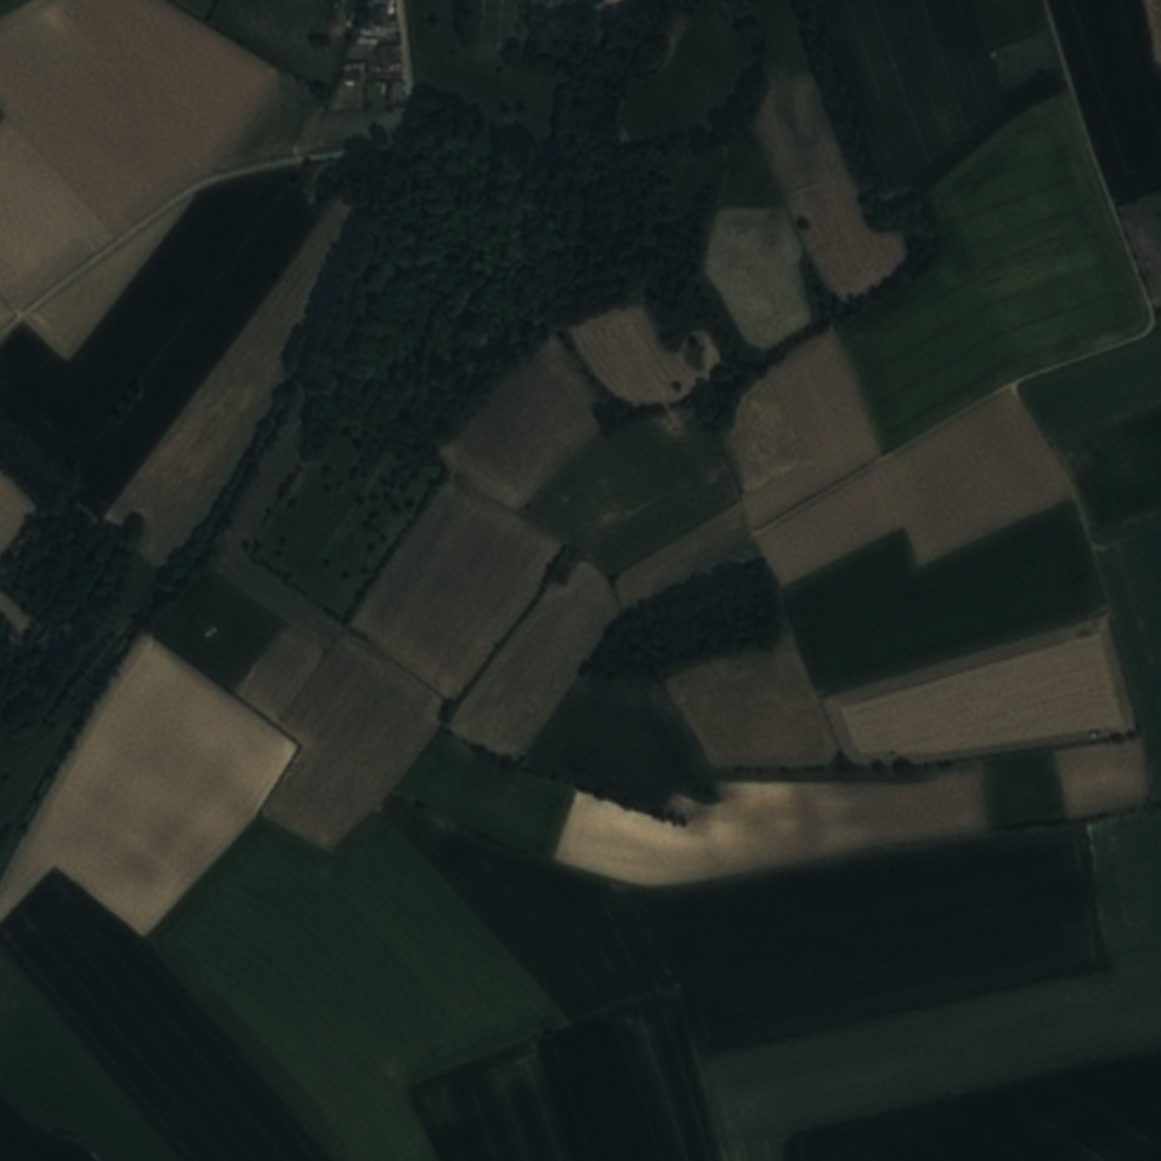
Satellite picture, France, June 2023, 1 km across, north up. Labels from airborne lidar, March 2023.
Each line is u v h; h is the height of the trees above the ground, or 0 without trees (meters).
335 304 25
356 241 25
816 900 0
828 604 0
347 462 0
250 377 0
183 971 0
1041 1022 0
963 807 0
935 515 0
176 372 0
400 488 6
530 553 0
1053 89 0
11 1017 0
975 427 0
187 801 0
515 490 0
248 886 0
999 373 0
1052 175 0
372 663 0
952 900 0
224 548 0
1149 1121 0
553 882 0
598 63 17
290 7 0
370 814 0
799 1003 0
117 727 0
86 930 0
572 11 17
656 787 0
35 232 0
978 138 0
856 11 0
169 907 0
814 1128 0
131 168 0
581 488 0
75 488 0
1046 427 0
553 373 0
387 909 0
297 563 0
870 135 0
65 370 0
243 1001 0
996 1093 0
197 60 0
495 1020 0
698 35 0
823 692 0
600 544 0
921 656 0
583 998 0
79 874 0
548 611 0
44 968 0
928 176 0
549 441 0
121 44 0
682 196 0
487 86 0
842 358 0
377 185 19
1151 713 0
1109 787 0
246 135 0
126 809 0
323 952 0
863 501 0
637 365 0
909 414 0
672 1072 0
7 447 34
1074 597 0
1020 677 0
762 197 0
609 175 19
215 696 0
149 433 0
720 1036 0
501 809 0
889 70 0
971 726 0
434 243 27
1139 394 0
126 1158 0
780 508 0
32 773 0
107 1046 0
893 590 0
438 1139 0
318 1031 0
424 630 0
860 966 0
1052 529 0
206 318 0
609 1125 0
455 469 0
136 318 0
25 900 0
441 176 28
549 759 0
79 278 0
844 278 0
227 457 0
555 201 32
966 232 0
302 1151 0
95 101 0
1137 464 0
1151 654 0
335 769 0
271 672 0
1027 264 0
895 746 0
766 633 24
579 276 18
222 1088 0
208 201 0
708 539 0
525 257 25
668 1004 0
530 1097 0
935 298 0
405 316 30
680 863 0
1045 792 0
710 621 23
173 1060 0
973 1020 0
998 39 0
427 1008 0
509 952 0
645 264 21
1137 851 0
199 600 0
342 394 23
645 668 13
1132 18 0
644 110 0
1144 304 0
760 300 0
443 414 29
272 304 0
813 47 24
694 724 0
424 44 0
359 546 0
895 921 0
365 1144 0
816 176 0
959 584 0
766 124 0
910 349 0
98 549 12
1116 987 0
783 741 0
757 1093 0
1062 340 0
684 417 0
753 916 0
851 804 0
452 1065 0
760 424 0
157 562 0
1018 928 0
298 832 0
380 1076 0
